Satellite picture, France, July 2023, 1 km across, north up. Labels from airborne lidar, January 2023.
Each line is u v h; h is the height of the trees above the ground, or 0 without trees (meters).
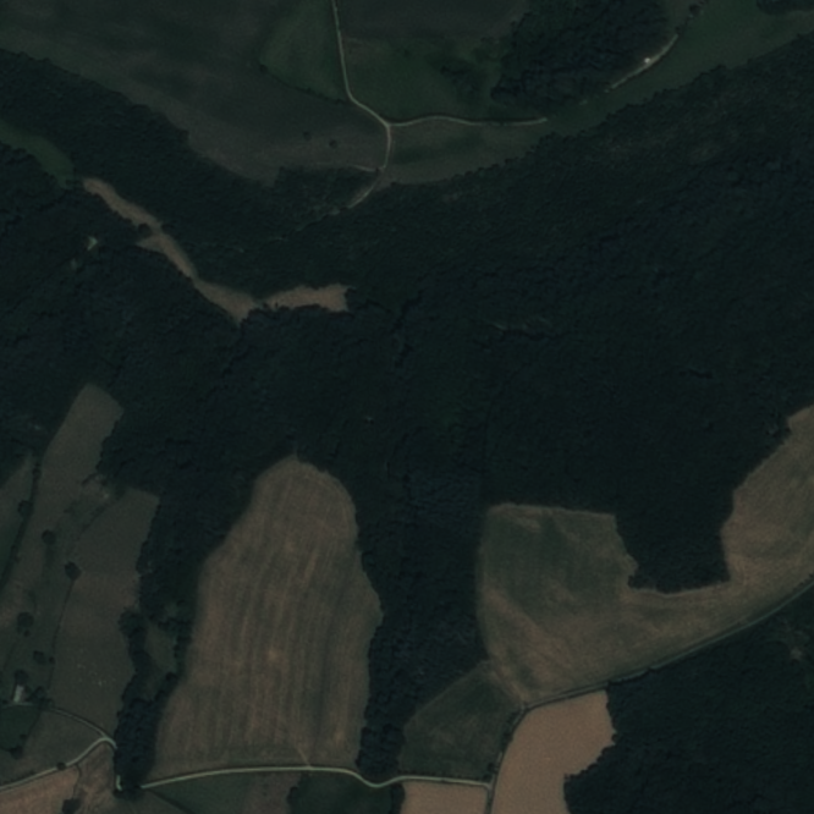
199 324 20
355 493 15
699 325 27
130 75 0
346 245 14
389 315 16
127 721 17
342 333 19
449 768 0
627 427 25
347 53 0
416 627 27
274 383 16
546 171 15
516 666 0
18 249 23
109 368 11
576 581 0
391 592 20
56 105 15
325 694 0
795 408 17
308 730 0
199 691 0
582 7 13
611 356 23
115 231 19
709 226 31
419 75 0
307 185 9
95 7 0
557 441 26
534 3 14
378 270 18
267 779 0
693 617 0
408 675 22
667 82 0
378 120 0
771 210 21
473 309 20
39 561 0
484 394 18
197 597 0
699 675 18
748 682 20
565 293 18
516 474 22
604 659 0
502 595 0
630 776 19
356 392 16
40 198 14
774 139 10
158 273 26
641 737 28
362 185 7
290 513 0
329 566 0
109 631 0
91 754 0
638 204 20
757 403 24
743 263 24
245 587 0
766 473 0
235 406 22
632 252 21
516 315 19
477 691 0
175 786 0
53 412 9
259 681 0
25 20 0
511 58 11
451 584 18
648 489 27
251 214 16
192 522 29
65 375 17
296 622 0
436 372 19
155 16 0
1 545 0
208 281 10
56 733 0
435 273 15
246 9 0
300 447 24
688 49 0
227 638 0
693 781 12
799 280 23
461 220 15
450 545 15
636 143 9
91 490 0
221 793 0
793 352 14
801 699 19
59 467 0
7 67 13
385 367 25
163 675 0
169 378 16
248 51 0
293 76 0
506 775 0
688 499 19
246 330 15
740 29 0
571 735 0
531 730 0
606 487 23
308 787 0
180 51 0
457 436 13
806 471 0
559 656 0
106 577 0
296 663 0
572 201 18
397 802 14
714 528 18
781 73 16
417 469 25
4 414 22
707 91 13
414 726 0
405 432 23
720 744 22
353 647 0
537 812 0
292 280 16
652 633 0
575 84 24
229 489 20
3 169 20
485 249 9
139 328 17
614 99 0
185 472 25
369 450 22
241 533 0
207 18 0
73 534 0
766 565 0
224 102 0
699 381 28
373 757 24
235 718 0
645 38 24
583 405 25
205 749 0
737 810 25
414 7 0
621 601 0
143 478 16
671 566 17
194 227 21
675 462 23
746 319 27
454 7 0
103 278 25
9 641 0
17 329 24
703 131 12
